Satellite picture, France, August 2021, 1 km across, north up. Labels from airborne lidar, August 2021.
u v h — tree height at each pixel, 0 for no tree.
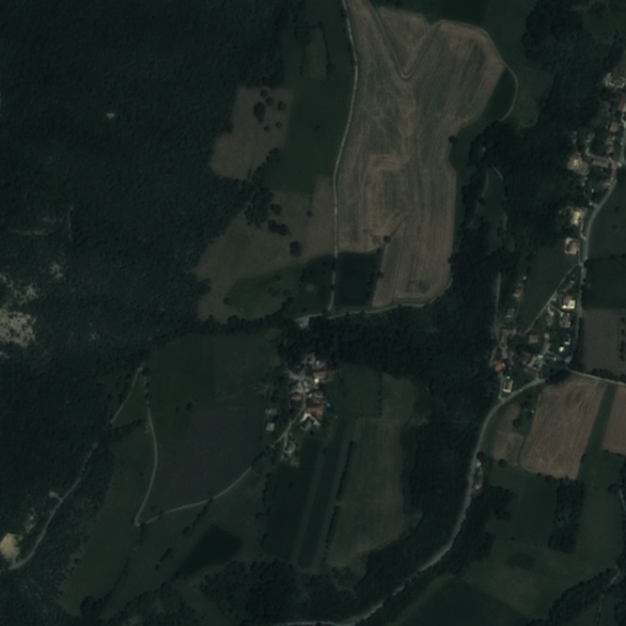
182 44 13
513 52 0
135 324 9
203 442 0
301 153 0
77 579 0
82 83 13
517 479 0
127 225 10
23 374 13
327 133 0
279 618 15
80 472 12
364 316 11
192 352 0
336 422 0
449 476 14
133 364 14
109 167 11
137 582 0
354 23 0
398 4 7
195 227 10
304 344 17
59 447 10
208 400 0
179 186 11
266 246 0
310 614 13
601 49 8
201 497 0
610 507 0
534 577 0
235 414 0
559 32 25
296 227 0
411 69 0
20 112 16
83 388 13
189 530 14
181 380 0
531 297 0
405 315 13
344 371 0
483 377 14
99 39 11
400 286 0
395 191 0
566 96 14
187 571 0
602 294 0
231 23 11
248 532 0
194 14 15
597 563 0
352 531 0
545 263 0
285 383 11
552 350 6
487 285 14
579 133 7
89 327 7
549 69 15
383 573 17
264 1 10
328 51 6
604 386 0
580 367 15
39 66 19
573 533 7
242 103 0
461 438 17
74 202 9
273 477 13
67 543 9
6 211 10
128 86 11
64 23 13
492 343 15
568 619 14
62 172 9
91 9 11
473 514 19
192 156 10
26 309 7
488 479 8
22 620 13
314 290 0
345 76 0
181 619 12
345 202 0
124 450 0
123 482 0
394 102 0
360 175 0
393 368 17
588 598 17
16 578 9
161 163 10
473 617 0
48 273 8
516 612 0
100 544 0
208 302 0
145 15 13
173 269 10
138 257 12
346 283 0
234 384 0
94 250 12
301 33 12
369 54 0
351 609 12
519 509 0
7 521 12
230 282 0
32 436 16
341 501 9
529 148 13
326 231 0
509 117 0
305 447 0
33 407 13
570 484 10
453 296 10
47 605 6
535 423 0
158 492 0
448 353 20
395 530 0
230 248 0
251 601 11
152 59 10
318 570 0
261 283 0
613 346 0
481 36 0
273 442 0
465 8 0
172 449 0
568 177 6
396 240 0
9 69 9
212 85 13
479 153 20
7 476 13
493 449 0
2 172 19
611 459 0
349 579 10
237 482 0
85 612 14
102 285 8
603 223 0
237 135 0
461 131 0
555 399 0
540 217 14
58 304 12
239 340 0
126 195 13
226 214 11
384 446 0
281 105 12
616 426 0
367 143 0
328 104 0
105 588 0
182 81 12
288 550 0
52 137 17
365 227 0
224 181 10
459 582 0
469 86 0
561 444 0
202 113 10
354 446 12
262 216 10
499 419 0
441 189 0
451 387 13
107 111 6
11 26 16
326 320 12
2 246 9
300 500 0
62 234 9
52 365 8
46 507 6
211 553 0
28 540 6
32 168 16
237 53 8
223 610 11
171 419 0
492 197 0
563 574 0
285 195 0
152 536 0
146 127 15
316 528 0
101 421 12
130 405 0
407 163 0
